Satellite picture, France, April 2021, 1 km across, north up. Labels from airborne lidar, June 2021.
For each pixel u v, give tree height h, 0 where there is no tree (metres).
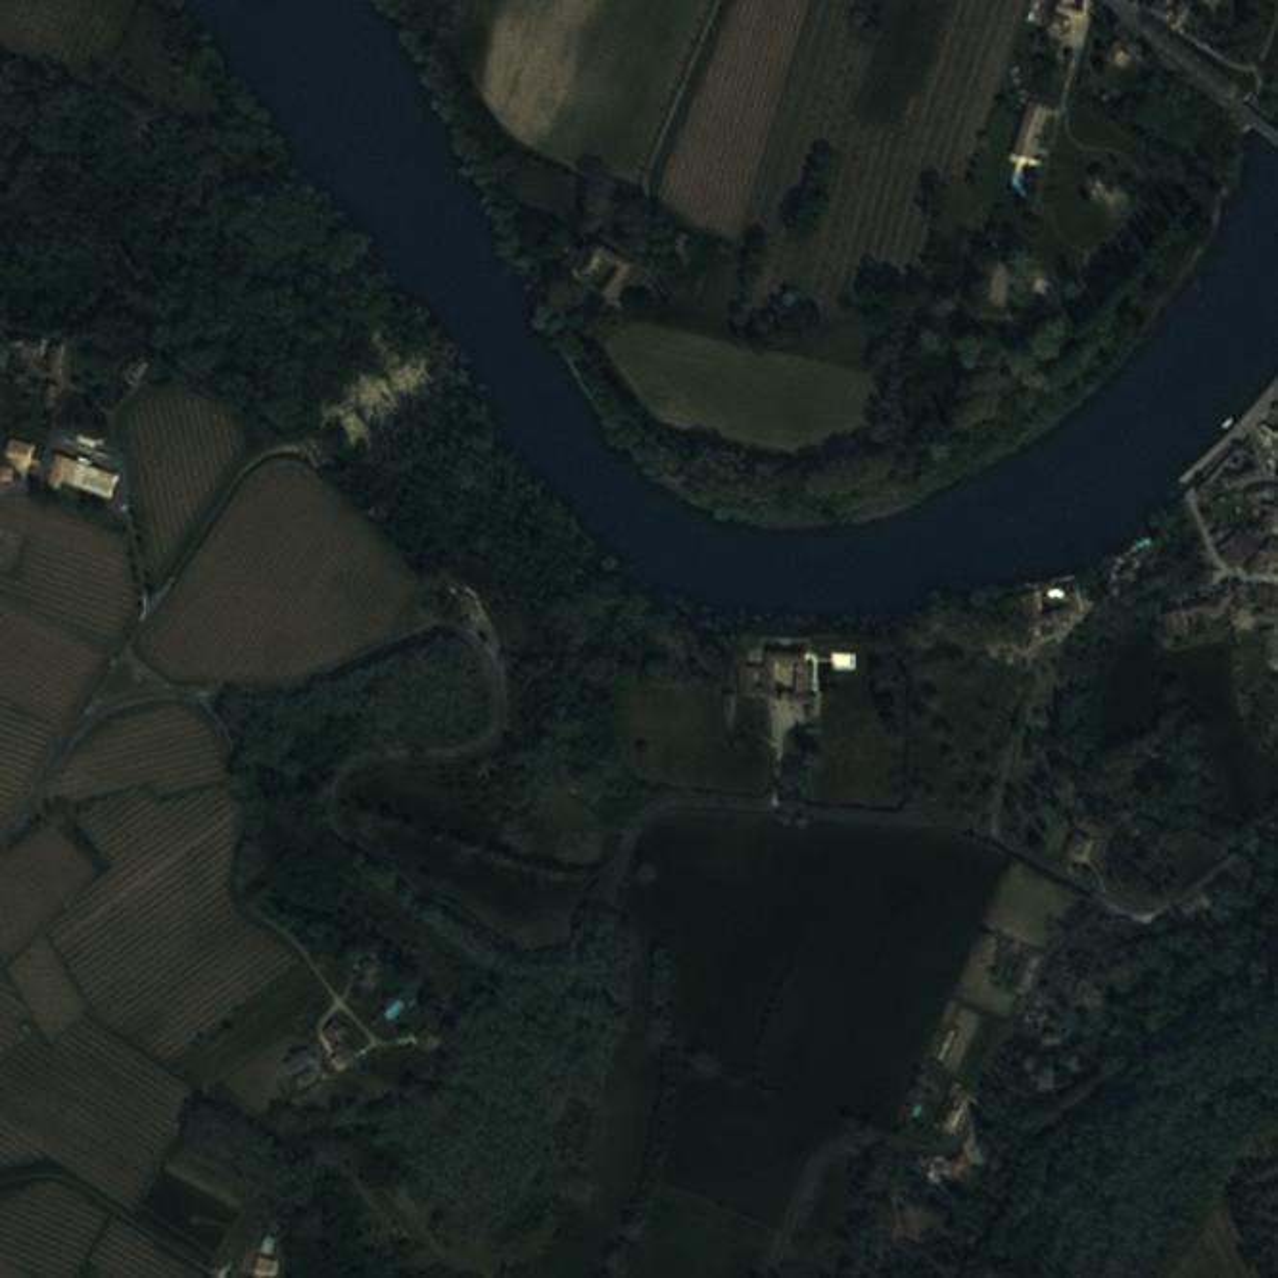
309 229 28
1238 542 0
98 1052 0
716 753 0
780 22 0
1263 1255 6
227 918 0
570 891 0
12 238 14
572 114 0
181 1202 0
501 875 0
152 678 0
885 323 24
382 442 17
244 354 8
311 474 0
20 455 0
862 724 0
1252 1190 8
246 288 18
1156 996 16
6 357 16
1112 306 40
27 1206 0
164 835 0
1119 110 14
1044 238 9
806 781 17
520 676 17
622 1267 14
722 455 26
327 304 9
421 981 21
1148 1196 22
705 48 10
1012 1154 8
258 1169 17
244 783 16
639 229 22
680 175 0
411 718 17
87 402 7
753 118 0
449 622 13
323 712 16
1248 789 0
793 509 22
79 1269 0
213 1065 0
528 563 15
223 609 0
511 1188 25
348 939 7
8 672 0
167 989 0
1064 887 7
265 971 0
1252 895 15
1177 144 16
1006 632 25
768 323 16
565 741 16
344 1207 7
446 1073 19
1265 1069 18
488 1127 21
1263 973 24
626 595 22
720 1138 0
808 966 0
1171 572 21
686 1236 0
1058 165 10
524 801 13
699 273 0
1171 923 9
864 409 0
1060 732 17
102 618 0
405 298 8
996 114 0
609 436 9
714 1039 0
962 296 8
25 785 0
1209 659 0
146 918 0
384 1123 17
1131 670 0
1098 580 20
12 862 0
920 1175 7
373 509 19
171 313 10
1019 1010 0
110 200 8
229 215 23
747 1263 0
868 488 23
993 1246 8
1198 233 26
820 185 15
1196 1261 0
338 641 0
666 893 0
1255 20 24
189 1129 17
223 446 0
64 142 26
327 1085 0
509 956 19
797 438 0
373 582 0
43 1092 0
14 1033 0
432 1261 0
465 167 12
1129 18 0
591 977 14
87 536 0
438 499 9
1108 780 25
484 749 0
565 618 16
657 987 15
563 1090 22
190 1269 0
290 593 0
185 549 0
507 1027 21
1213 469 0
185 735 0
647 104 0
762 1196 0
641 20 0
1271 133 0
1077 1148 10
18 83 22
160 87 0
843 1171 0
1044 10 8
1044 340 31
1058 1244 15
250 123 13
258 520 0
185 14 8
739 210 0
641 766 0
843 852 0
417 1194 23
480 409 22
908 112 0
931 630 23
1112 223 0
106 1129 0
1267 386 0
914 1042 0
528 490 31
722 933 0
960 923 0
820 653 0
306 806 32
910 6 0
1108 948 23
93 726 0
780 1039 0
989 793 11
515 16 0
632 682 18
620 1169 0
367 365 17
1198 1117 21
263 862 19
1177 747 22
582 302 21
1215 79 18
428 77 15
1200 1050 20
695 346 0
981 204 0
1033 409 13
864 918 0
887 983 0
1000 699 0
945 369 0
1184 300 0
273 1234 7
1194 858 0
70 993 0
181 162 13
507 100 0
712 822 0
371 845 0
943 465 17
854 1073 0
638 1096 0
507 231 10
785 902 0
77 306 10
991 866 0
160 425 0
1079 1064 23
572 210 0
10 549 0
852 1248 15
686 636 22
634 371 0
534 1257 0
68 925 0
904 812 7
